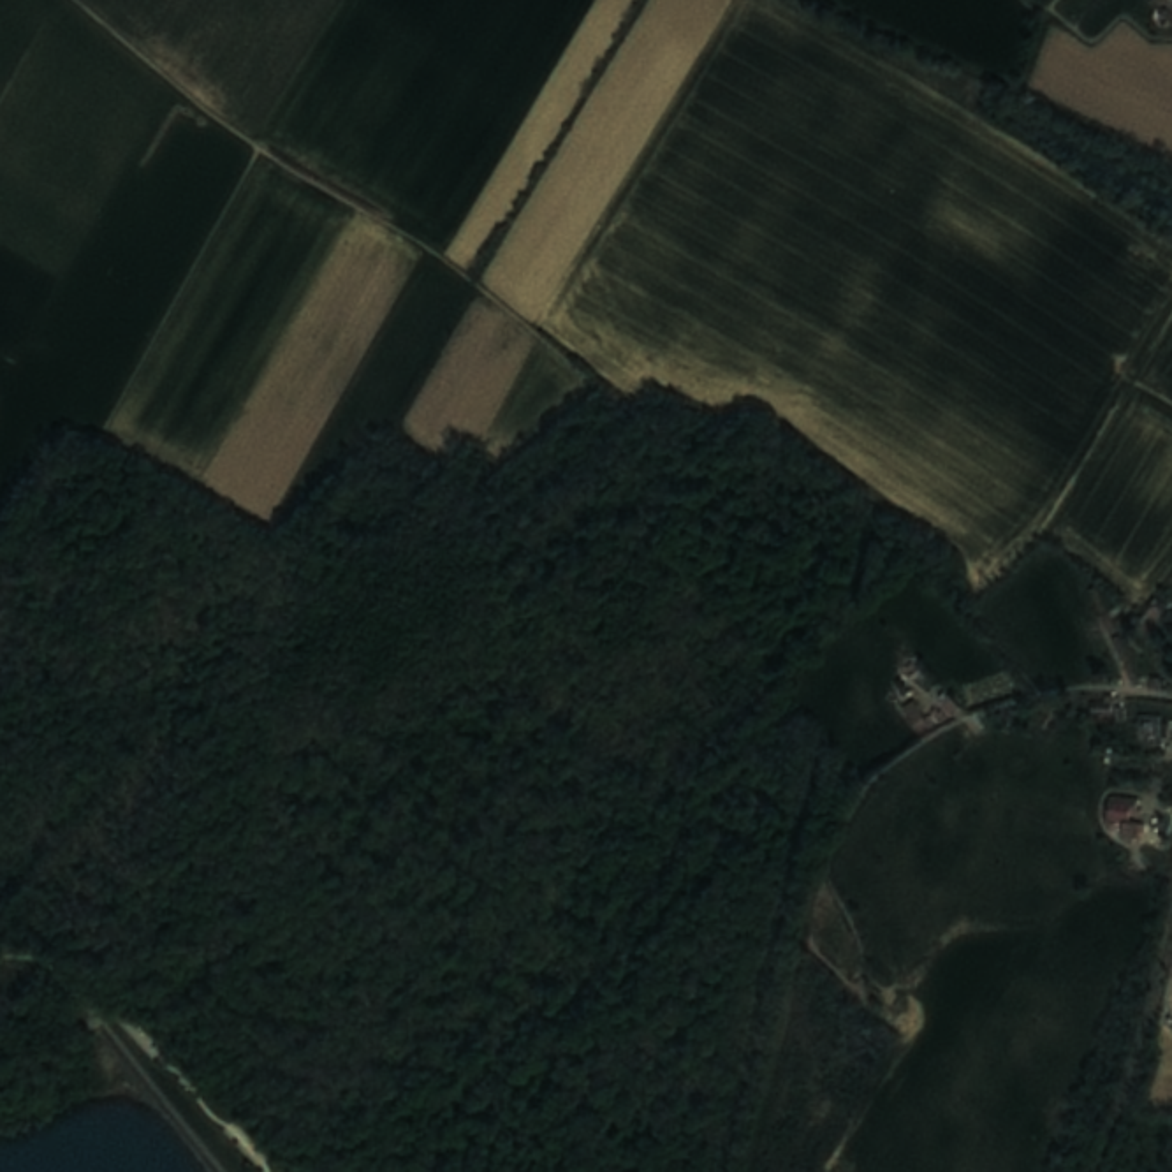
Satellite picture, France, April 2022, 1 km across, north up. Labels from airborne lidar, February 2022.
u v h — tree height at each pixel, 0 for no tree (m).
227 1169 0
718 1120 23
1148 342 0
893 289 0
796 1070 0
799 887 23
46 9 0
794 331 0
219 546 27
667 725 24
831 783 17
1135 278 0
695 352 0
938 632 0
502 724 24
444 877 28
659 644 21
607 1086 31
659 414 24
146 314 0
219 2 0
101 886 25
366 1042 31
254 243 0
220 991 29
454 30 0
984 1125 0
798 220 0
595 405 16
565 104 0
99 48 0
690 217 0
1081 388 0
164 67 0
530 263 0
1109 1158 16
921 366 0
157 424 0
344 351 0
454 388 0
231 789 26
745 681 10
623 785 27
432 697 20
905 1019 0
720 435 24
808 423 0
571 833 27
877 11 0
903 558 26
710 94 0
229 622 23
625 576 14
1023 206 0
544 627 23
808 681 0
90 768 29
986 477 0
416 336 0
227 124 0
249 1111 13
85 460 22
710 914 27
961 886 0
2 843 27
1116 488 0
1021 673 13
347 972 18
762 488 22
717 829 27
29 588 20
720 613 22
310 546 28
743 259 0
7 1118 15
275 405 0
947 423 0
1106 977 0
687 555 24
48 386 0
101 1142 0
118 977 29
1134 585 0
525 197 7
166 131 0
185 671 13
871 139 0
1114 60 0
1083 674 0
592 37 0
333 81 0
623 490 30
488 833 30
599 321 0
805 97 0
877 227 0
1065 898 0
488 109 0
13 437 0
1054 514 0
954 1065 0
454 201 0
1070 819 0
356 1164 29
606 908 31
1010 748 0
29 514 27
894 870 0
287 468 0
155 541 26
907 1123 0
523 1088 19
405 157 0
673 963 25
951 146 0
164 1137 0
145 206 0
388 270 0
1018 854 0
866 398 0
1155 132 0
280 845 30
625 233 0
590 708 23
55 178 0
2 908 29
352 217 0
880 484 0
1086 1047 0
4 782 22
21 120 0
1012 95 19
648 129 0
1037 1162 0
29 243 0
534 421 0
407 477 18
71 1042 25
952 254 0
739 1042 16
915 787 0
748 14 0
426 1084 31
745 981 22
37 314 0
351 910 28
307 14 0
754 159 0
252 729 25
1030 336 0
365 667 22
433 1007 30
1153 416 0
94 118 0
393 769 10
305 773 24
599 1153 29
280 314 0
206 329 0
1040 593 0
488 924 30
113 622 26
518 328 0
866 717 0
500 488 18
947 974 0
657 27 0
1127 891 0
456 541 22
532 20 0
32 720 26
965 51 0
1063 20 0
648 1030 28
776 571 12
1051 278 0
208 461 0
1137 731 0
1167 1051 0
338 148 0
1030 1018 0
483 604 22
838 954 0
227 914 29
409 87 0
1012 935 0
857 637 0
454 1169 31
